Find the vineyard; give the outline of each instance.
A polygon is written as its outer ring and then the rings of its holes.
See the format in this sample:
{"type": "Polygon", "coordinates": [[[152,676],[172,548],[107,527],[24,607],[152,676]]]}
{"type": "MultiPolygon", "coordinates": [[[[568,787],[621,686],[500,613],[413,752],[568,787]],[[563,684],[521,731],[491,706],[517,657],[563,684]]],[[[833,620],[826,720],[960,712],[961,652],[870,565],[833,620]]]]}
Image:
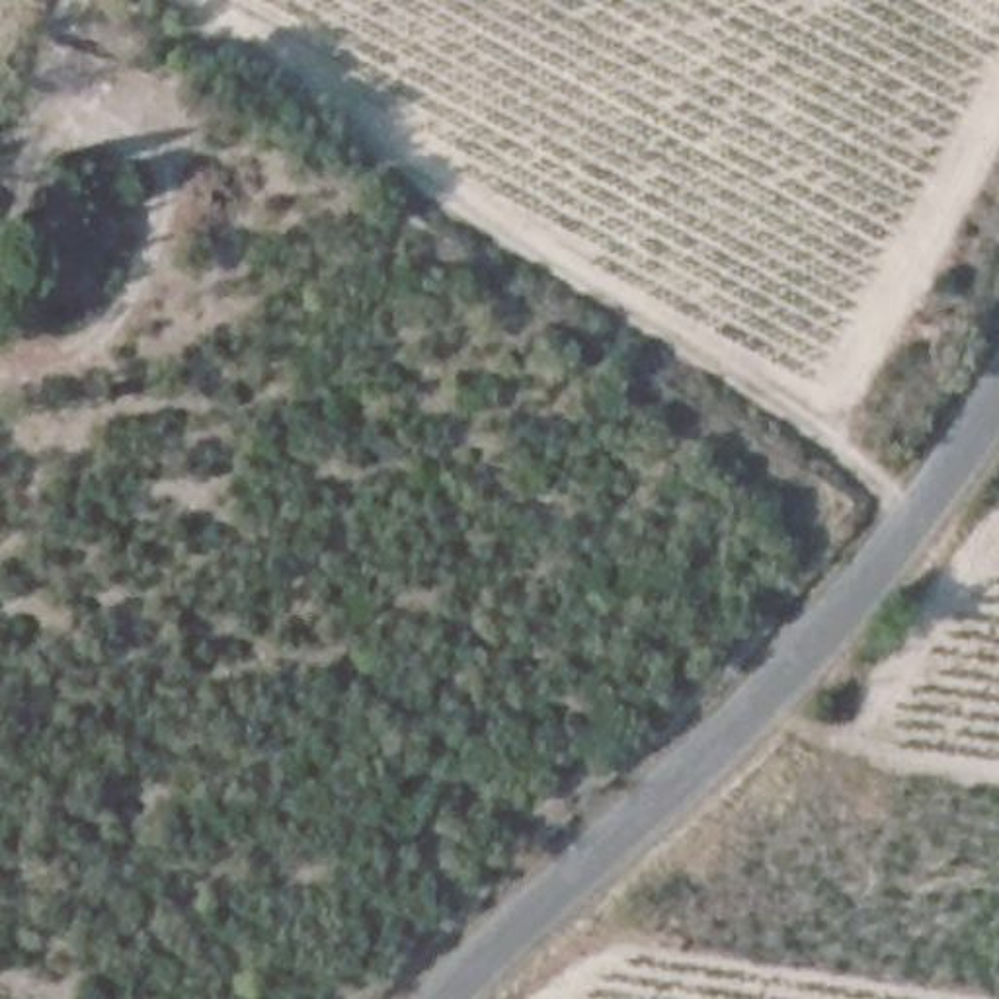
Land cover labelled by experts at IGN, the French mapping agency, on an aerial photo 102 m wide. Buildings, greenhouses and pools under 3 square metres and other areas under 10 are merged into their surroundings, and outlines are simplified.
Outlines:
{"type": "Polygon", "coordinates": [[[999,51],[999,0],[265,0],[293,16],[289,27],[328,23],[343,31],[340,51],[355,59],[351,78],[379,86],[386,94],[386,105],[402,109],[402,125],[418,156],[441,156],[453,164],[457,183],[472,180],[496,195],[507,195],[523,211],[542,215],[546,222],[597,242],[597,269],[644,289],[648,297],[722,332],[726,340],[761,351],[765,359],[796,371],[800,379],[816,379],[816,363],[827,359],[827,343],[847,328],[847,312],[855,308],[859,289],[866,289],[866,277],[878,273],[886,238],[917,203],[925,176],[937,168],[944,140],[956,129],[956,117],[964,113],[972,90],[983,78],[987,55],[999,51]]]}
{"type": "Polygon", "coordinates": [[[870,979],[823,968],[757,964],[726,952],[687,952],[679,948],[679,940],[636,933],[620,944],[632,960],[620,972],[597,976],[597,983],[578,999],[995,999],[964,987],[925,987],[909,979],[870,979]]]}
{"type": "Polygon", "coordinates": [[[909,702],[898,702],[898,718],[886,718],[866,699],[851,722],[839,722],[827,734],[827,749],[859,753],[882,765],[894,757],[894,749],[905,749],[909,738],[952,741],[952,757],[999,761],[999,578],[983,578],[979,585],[983,605],[972,620],[933,620],[921,632],[913,632],[909,640],[921,652],[929,652],[925,679],[909,691],[909,702]]]}

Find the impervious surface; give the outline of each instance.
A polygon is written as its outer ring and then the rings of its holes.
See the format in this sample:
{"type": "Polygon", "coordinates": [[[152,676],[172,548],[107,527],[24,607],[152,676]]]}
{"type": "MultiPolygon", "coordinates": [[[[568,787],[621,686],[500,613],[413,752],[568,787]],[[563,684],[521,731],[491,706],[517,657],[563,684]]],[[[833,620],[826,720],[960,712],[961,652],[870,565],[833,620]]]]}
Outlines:
{"type": "Polygon", "coordinates": [[[699,726],[691,726],[667,749],[636,765],[636,788],[617,792],[605,804],[605,812],[585,823],[578,843],[570,843],[562,855],[550,855],[535,874],[523,878],[503,882],[500,905],[480,917],[468,917],[464,940],[453,952],[445,952],[429,972],[421,972],[418,987],[402,999],[472,999],[519,948],[527,948],[542,929],[550,929],[550,921],[562,917],[570,901],[589,894],[636,843],[644,843],[659,823],[667,823],[706,780],[714,780],[734,761],[734,753],[757,738],[757,730],[855,632],[866,609],[882,605],[898,593],[901,585],[913,585],[901,562],[925,542],[933,523],[944,515],[948,500],[968,480],[972,464],[999,433],[999,375],[979,379],[948,437],[913,472],[898,476],[905,500],[898,507],[878,503],[878,523],[859,542],[855,558],[823,574],[804,613],[777,632],[769,659],[753,667],[730,691],[730,699],[722,699],[706,718],[699,718],[699,726]]]}

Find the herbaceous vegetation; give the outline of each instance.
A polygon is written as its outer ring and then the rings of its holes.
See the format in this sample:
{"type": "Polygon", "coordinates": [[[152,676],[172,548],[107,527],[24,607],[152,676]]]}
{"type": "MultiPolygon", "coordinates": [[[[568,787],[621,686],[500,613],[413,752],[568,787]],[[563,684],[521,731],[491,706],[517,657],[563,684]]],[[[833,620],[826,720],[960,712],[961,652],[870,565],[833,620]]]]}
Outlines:
{"type": "Polygon", "coordinates": [[[27,613],[43,628],[62,632],[70,624],[66,585],[109,566],[109,542],[90,542],[82,562],[51,570],[39,593],[8,597],[0,605],[0,609],[8,617],[27,613]]]}
{"type": "Polygon", "coordinates": [[[94,8],[101,8],[98,23],[90,23],[90,39],[98,43],[94,55],[59,43],[39,51],[39,74],[47,74],[59,94],[86,94],[98,82],[117,82],[129,70],[140,70],[140,47],[152,47],[164,35],[207,35],[199,0],[90,0],[94,8]]]}
{"type": "Polygon", "coordinates": [[[999,152],[968,219],[952,238],[952,265],[933,285],[940,293],[964,297],[976,277],[972,265],[999,246],[999,152]]]}
{"type": "Polygon", "coordinates": [[[726,667],[702,691],[702,699],[671,691],[671,706],[648,710],[640,741],[624,745],[613,757],[609,773],[581,777],[578,788],[562,800],[539,800],[535,816],[496,800],[492,819],[531,847],[527,855],[515,855],[523,878],[535,874],[550,855],[562,855],[570,843],[578,843],[585,823],[605,812],[605,804],[617,792],[636,788],[636,765],[667,749],[691,726],[699,726],[699,718],[706,718],[722,699],[730,699],[730,691],[753,667],[769,659],[777,632],[804,613],[823,574],[855,558],[859,542],[878,523],[878,503],[878,496],[859,480],[859,472],[847,468],[827,445],[800,433],[788,418],[749,402],[722,375],[683,363],[667,340],[648,336],[628,355],[628,402],[644,406],[675,437],[702,445],[718,476],[769,500],[780,511],[780,527],[792,539],[796,562],[780,589],[765,585],[749,597],[749,632],[745,640],[734,640],[726,648],[726,659],[734,667],[726,667]]]}
{"type": "Polygon", "coordinates": [[[74,999],[82,987],[82,972],[70,972],[59,983],[39,979],[23,968],[8,968],[0,976],[0,999],[74,999]]]}
{"type": "Polygon", "coordinates": [[[187,476],[152,484],[152,496],[172,496],[183,511],[203,511],[219,492],[230,488],[222,476],[187,476]]]}
{"type": "Polygon", "coordinates": [[[215,663],[215,679],[277,671],[281,663],[328,667],[343,656],[340,640],[324,648],[304,648],[273,644],[261,636],[250,659],[215,663]]]}
{"type": "Polygon", "coordinates": [[[20,140],[20,152],[0,168],[0,211],[8,219],[27,215],[35,191],[55,183],[55,160],[62,152],[39,148],[51,125],[27,113],[16,129],[4,129],[12,140],[20,140]]]}
{"type": "Polygon", "coordinates": [[[109,418],[152,410],[207,410],[207,394],[183,390],[125,394],[109,402],[82,402],[70,410],[31,414],[20,418],[4,437],[27,453],[78,453],[90,445],[90,433],[101,429],[109,418]]]}
{"type": "Polygon", "coordinates": [[[706,780],[667,823],[659,823],[644,843],[636,843],[589,894],[570,901],[562,917],[550,921],[550,929],[542,929],[527,948],[519,948],[472,999],[531,999],[570,964],[605,952],[609,944],[620,944],[636,933],[617,905],[636,886],[663,882],[667,874],[726,874],[745,859],[761,859],[765,874],[777,878],[780,851],[792,851],[808,866],[819,866],[859,905],[878,905],[878,890],[886,886],[901,886],[905,894],[976,890],[983,882],[983,870],[956,870],[952,859],[933,843],[917,851],[913,874],[882,870],[886,847],[898,839],[898,819],[886,800],[905,788],[913,773],[882,765],[859,753],[827,749],[827,734],[839,722],[816,718],[816,691],[859,683],[866,691],[870,667],[859,663],[851,652],[862,644],[866,620],[882,605],[866,609],[855,632],[757,730],[757,738],[734,753],[734,761],[714,780],[706,780]]]}
{"type": "Polygon", "coordinates": [[[137,347],[144,359],[172,359],[199,336],[211,336],[219,324],[234,324],[261,308],[254,297],[215,297],[219,265],[183,269],[176,261],[191,242],[191,226],[211,211],[215,187],[203,172],[191,176],[183,187],[164,191],[176,203],[172,230],[156,234],[148,226],[148,246],[133,265],[133,281],[109,304],[109,312],[125,324],[121,343],[137,347]]]}
{"type": "Polygon", "coordinates": [[[43,558],[43,539],[55,527],[51,507],[43,503],[31,507],[31,519],[20,535],[8,531],[0,539],[0,554],[20,558],[31,570],[43,558]]]}
{"type": "Polygon", "coordinates": [[[488,429],[492,418],[515,418],[531,410],[539,418],[558,418],[558,351],[550,343],[550,324],[558,324],[558,300],[539,300],[519,332],[507,332],[488,304],[457,308],[457,316],[464,316],[468,324],[468,340],[449,359],[433,359],[429,340],[398,343],[398,363],[437,382],[433,394],[421,398],[421,410],[429,414],[453,410],[460,371],[492,371],[503,379],[519,379],[519,394],[511,402],[476,410],[472,418],[468,441],[484,457],[500,453],[503,445],[503,437],[488,429]]]}
{"type": "Polygon", "coordinates": [[[968,480],[948,500],[944,515],[933,523],[925,542],[901,562],[913,585],[901,585],[898,593],[909,605],[913,624],[921,632],[933,620],[972,620],[983,605],[979,585],[960,585],[952,578],[956,554],[972,531],[968,523],[960,523],[960,511],[968,500],[979,496],[979,488],[999,468],[999,433],[972,464],[968,480]]]}

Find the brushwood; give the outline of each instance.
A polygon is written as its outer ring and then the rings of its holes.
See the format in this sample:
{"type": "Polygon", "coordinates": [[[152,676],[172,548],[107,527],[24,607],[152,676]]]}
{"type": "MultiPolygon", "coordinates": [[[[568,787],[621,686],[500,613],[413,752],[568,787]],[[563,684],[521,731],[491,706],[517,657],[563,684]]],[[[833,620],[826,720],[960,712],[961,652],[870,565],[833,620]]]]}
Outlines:
{"type": "Polygon", "coordinates": [[[16,129],[27,113],[31,101],[59,94],[47,74],[39,74],[39,51],[59,43],[94,55],[98,43],[90,39],[90,23],[98,23],[101,8],[94,8],[90,0],[0,0],[0,168],[20,152],[20,140],[12,140],[4,129],[16,129]]]}
{"type": "Polygon", "coordinates": [[[999,468],[979,488],[979,496],[968,500],[960,511],[960,523],[968,523],[972,531],[999,507],[999,468]]]}
{"type": "Polygon", "coordinates": [[[43,336],[70,336],[109,312],[109,304],[133,281],[133,265],[148,246],[148,226],[148,215],[117,199],[121,172],[125,152],[113,140],[62,152],[55,160],[55,183],[35,191],[27,215],[35,230],[35,277],[27,304],[43,336]]]}
{"type": "Polygon", "coordinates": [[[909,640],[913,632],[921,632],[913,624],[909,605],[898,593],[882,605],[866,620],[862,644],[851,652],[859,663],[870,667],[898,656],[909,640]]]}
{"type": "Polygon", "coordinates": [[[905,316],[901,347],[878,367],[866,398],[851,410],[851,437],[886,472],[898,476],[913,472],[948,437],[979,379],[999,375],[999,246],[972,265],[976,277],[964,297],[940,293],[933,285],[921,308],[905,316]]]}
{"type": "Polygon", "coordinates": [[[866,699],[866,691],[859,683],[816,691],[816,718],[839,722],[851,722],[866,699]]]}
{"type": "Polygon", "coordinates": [[[917,851],[933,843],[952,859],[956,870],[983,870],[983,882],[976,890],[905,894],[901,886],[886,886],[878,890],[878,905],[859,905],[819,866],[808,866],[792,851],[780,851],[777,878],[765,874],[761,859],[745,859],[726,874],[667,874],[663,882],[636,886],[617,905],[636,933],[679,940],[679,948],[687,952],[726,952],[757,964],[823,968],[870,979],[909,979],[925,987],[964,987],[995,999],[999,999],[999,784],[960,784],[952,777],[913,773],[905,788],[886,800],[898,819],[898,839],[886,847],[882,870],[913,874],[917,851]]]}

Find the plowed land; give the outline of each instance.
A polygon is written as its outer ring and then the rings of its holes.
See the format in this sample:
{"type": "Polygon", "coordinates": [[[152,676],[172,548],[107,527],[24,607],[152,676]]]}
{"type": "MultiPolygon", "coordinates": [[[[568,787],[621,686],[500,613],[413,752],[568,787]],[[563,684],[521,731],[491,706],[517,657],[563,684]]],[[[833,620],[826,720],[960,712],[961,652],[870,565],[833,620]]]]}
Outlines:
{"type": "Polygon", "coordinates": [[[964,113],[956,117],[956,129],[944,140],[937,168],[925,176],[917,203],[886,238],[878,273],[866,277],[866,289],[859,289],[855,308],[847,312],[847,328],[827,343],[827,359],[816,363],[816,379],[800,379],[796,371],[765,359],[761,351],[726,340],[722,332],[648,297],[644,289],[597,269],[597,242],[546,222],[542,215],[523,211],[507,195],[496,195],[472,180],[457,183],[453,164],[441,156],[418,156],[402,125],[402,109],[386,105],[386,94],[379,86],[351,78],[355,59],[340,51],[343,31],[328,23],[289,27],[293,16],[265,0],[199,0],[207,35],[230,31],[238,39],[261,39],[277,55],[277,70],[300,74],[320,109],[340,113],[347,105],[355,121],[375,133],[382,148],[371,172],[379,180],[390,168],[410,168],[418,160],[421,168],[414,172],[414,180],[425,195],[441,199],[449,215],[480,226],[503,250],[550,265],[574,289],[624,308],[628,320],[648,336],[667,340],[683,363],[722,375],[749,402],[788,418],[800,433],[827,445],[847,468],[859,472],[859,480],[878,496],[878,503],[898,507],[905,500],[898,476],[886,472],[851,437],[851,410],[866,398],[878,367],[901,347],[905,316],[921,308],[933,285],[952,265],[952,238],[968,219],[999,152],[999,51],[987,55],[983,78],[972,90],[964,113]]]}
{"type": "Polygon", "coordinates": [[[909,702],[909,691],[925,679],[929,652],[921,652],[909,640],[898,656],[870,667],[866,691],[866,699],[886,718],[898,718],[898,702],[909,702]]]}
{"type": "Polygon", "coordinates": [[[999,507],[972,531],[956,554],[952,578],[960,585],[979,585],[983,578],[999,578],[999,507]]]}
{"type": "Polygon", "coordinates": [[[894,749],[894,757],[882,765],[913,773],[952,777],[960,784],[999,784],[999,761],[952,757],[952,741],[909,738],[905,749],[894,749]]]}
{"type": "Polygon", "coordinates": [[[531,999],[578,999],[597,983],[597,976],[620,972],[632,960],[620,944],[609,944],[605,952],[570,964],[531,999]]]}

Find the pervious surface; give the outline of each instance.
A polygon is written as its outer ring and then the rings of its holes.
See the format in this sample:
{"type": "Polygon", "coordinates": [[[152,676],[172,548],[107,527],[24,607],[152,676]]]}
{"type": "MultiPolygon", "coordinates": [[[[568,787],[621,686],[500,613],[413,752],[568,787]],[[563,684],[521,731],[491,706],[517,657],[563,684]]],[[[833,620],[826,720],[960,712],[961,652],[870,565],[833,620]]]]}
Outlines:
{"type": "Polygon", "coordinates": [[[180,74],[168,74],[164,66],[140,70],[129,70],[117,82],[98,82],[86,94],[59,94],[31,101],[27,113],[51,125],[39,148],[62,152],[113,140],[125,152],[121,172],[133,172],[156,195],[148,203],[148,215],[148,226],[156,234],[172,230],[176,203],[164,191],[183,187],[191,176],[203,172],[207,156],[187,152],[183,144],[183,125],[191,113],[180,98],[180,74]]]}
{"type": "Polygon", "coordinates": [[[8,386],[27,386],[55,375],[82,375],[90,367],[113,371],[113,347],[121,343],[125,324],[109,312],[70,336],[43,336],[12,340],[0,351],[0,379],[8,386]]]}

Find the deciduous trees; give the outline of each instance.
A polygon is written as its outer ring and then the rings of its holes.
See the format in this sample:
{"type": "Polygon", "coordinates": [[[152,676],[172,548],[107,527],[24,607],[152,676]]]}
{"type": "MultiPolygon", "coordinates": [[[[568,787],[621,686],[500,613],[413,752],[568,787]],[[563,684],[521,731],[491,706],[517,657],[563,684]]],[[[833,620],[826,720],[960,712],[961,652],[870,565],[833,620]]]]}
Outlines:
{"type": "Polygon", "coordinates": [[[648,710],[671,706],[671,691],[702,699],[702,691],[726,667],[734,667],[726,659],[726,648],[734,640],[745,640],[749,632],[749,597],[765,585],[780,589],[796,562],[792,539],[780,527],[780,511],[769,500],[718,476],[702,445],[675,437],[644,406],[628,402],[628,355],[648,336],[628,320],[624,308],[574,289],[550,265],[503,250],[480,226],[449,215],[441,199],[425,195],[414,180],[414,172],[421,168],[418,160],[410,168],[390,168],[379,180],[371,172],[382,148],[375,133],[355,121],[347,105],[340,113],[320,109],[300,74],[277,70],[277,55],[261,39],[238,39],[230,31],[207,35],[164,35],[152,47],[140,47],[140,70],[164,66],[168,74],[180,74],[180,98],[191,113],[183,125],[183,144],[187,152],[207,156],[203,172],[215,187],[211,211],[191,226],[191,242],[176,261],[183,269],[219,265],[215,297],[254,297],[261,308],[234,324],[219,324],[211,336],[199,336],[172,359],[144,359],[137,347],[121,343],[113,347],[113,371],[90,367],[82,375],[55,375],[27,386],[8,386],[0,379],[0,539],[8,531],[20,535],[31,519],[31,507],[43,503],[51,507],[55,527],[43,539],[43,558],[31,570],[20,558],[0,554],[0,605],[8,597],[39,593],[51,570],[82,562],[90,542],[109,542],[109,566],[66,585],[70,624],[62,632],[43,628],[27,613],[8,617],[0,609],[0,976],[8,968],[23,968],[39,979],[59,983],[70,972],[82,972],[82,987],[74,999],[402,999],[418,987],[421,972],[429,972],[445,952],[453,952],[464,940],[468,917],[480,917],[500,905],[503,882],[523,878],[515,855],[527,855],[531,847],[492,819],[496,800],[535,816],[539,800],[562,800],[578,788],[581,777],[609,773],[613,757],[624,745],[640,741],[648,710]],[[398,343],[429,340],[433,359],[449,359],[468,340],[468,324],[464,316],[457,316],[457,308],[488,304],[507,332],[519,332],[539,300],[558,300],[558,324],[550,324],[550,343],[558,351],[558,418],[539,418],[531,410],[515,418],[492,418],[488,429],[503,437],[503,445],[500,453],[484,457],[468,441],[472,418],[476,410],[511,402],[519,394],[519,379],[503,379],[492,371],[460,371],[453,410],[429,414],[421,410],[421,398],[433,394],[437,382],[398,363],[398,343]],[[207,410],[152,410],[109,418],[101,429],[90,433],[90,445],[78,453],[27,453],[4,437],[20,418],[31,414],[70,410],[82,402],[109,402],[125,394],[183,390],[207,394],[207,410]],[[172,496],[152,496],[152,484],[187,476],[222,476],[230,488],[219,492],[203,511],[183,511],[172,496]],[[250,659],[261,636],[273,644],[304,648],[324,648],[340,640],[343,656],[328,667],[281,663],[277,671],[215,679],[215,663],[250,659]]]}
{"type": "Polygon", "coordinates": [[[8,219],[0,211],[0,351],[12,340],[43,336],[27,304],[35,277],[35,230],[27,215],[8,219]]]}
{"type": "Polygon", "coordinates": [[[148,215],[148,203],[156,195],[133,172],[121,172],[117,199],[148,215]]]}

